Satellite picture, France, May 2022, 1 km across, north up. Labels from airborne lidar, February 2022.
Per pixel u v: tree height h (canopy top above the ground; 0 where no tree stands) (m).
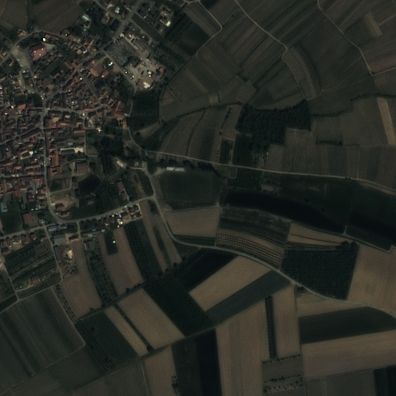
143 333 0
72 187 0
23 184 0
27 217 0
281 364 0
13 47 0
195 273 0
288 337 0
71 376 0
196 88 0
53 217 0
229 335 0
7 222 0
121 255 0
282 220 0
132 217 0
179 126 0
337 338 0
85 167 0
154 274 0
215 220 0
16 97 0
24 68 0
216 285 0
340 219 0
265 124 10
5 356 0
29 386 0
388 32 0
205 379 0
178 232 0
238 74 0
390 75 0
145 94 0
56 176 0
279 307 0
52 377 0
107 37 0
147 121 0
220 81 0
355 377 0
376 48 0
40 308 0
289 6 0
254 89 0
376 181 0
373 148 0
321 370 0
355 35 0
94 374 0
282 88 0
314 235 0
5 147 0
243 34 0
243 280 0
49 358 0
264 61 0
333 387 0
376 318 0
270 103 0
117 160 0
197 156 0
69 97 0
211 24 0
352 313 0
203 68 0
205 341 0
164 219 0
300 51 0
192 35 0
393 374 0
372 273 0
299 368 0
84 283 0
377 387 0
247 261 0
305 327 0
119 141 0
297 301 0
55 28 0
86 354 0
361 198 0
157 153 0
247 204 0
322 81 0
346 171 0
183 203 0
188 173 0
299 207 0
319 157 0
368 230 0
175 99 0
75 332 0
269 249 0
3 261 0
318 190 0
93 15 10
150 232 0
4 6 0
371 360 0
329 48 0
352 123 0
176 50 0
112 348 0
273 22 0
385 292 0
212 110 0
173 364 0
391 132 0
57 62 0
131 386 0
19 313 0
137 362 0
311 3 0
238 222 0
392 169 0
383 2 0
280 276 0
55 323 0
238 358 0
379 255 0
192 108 0
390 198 0
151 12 7
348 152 0
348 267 6
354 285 0
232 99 0
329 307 0
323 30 0
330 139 0
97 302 0
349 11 0
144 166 0
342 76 0
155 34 0
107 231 0
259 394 0
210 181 0
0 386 0
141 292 0
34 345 0
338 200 0
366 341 0
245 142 0
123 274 0
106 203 0
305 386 0
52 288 0
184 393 0
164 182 0
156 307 0
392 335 0
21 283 0
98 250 0
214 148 0
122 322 0
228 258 0
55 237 0
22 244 0
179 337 0
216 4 0
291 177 0
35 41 6
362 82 0
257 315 0
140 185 0
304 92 0
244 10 0
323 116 0
